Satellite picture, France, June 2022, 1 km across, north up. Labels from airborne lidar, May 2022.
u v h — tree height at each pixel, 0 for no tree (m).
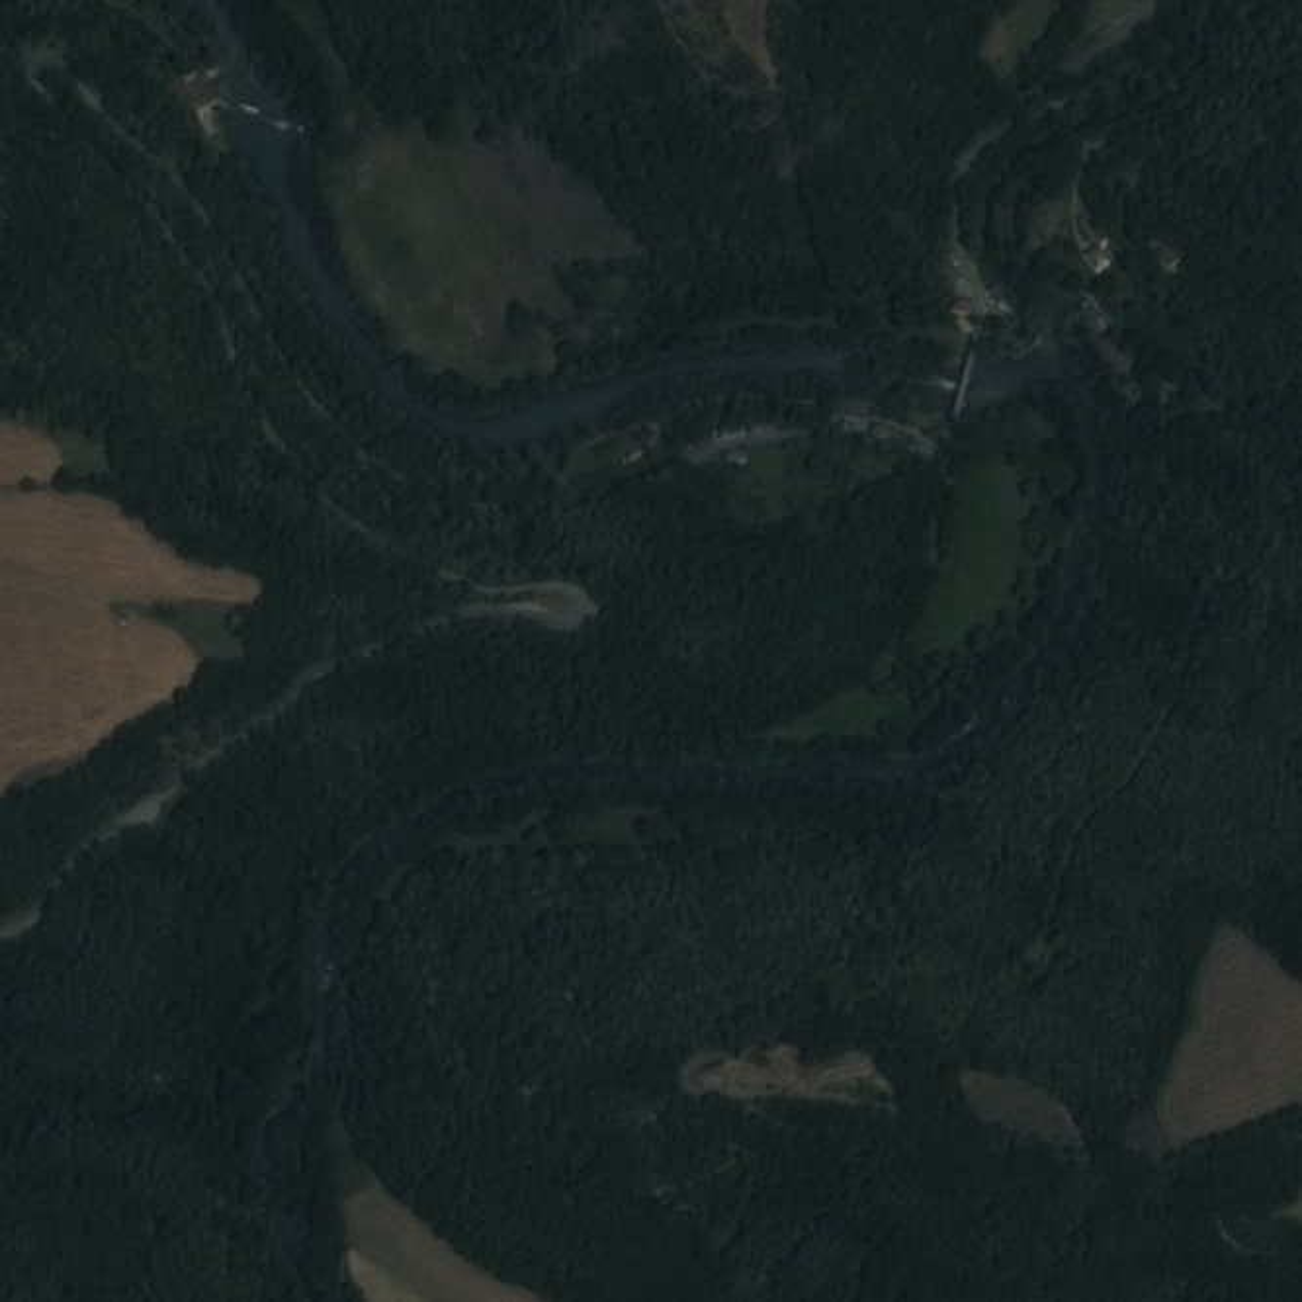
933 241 8
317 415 15
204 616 0
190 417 15
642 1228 9
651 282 16
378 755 14
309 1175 25
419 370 25
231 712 12
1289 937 18
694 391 31
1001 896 16
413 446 26
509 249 0
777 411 22
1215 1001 0
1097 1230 19
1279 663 13
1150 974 15
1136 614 16
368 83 15
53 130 21
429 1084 14
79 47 16
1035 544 9
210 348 23
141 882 28
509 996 10
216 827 12
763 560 22
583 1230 14
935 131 20
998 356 19
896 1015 12
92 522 0
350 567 21
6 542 0
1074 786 11
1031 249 15
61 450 0
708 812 27
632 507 14
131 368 19
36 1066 25
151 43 8
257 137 0
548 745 18
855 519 23
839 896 12
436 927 13
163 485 18
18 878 8
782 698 8
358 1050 24
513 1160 15
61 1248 20
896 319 24
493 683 18
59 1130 37
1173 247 6
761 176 13
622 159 22
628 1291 9
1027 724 15
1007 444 8
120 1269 23
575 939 17
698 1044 10
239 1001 13
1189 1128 0
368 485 22
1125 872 12
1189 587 13
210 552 15
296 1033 15
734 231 19
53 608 0
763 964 13
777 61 9
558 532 14
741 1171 7
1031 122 20
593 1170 15
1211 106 14
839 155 17
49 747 0
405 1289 0
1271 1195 15
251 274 15
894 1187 19
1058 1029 17
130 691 0
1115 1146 18
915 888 15
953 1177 17
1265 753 12
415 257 0
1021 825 12
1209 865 11
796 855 25
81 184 14
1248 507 16
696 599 12
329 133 17
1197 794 11
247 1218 20
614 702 23
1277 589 16
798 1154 21
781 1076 0
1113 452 25
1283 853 15
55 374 21
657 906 14
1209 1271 20
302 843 27
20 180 14
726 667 18
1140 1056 16
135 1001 23
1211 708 13
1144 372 16
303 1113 23
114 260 10
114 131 13
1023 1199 18
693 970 12
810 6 19
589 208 0
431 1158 13
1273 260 13
